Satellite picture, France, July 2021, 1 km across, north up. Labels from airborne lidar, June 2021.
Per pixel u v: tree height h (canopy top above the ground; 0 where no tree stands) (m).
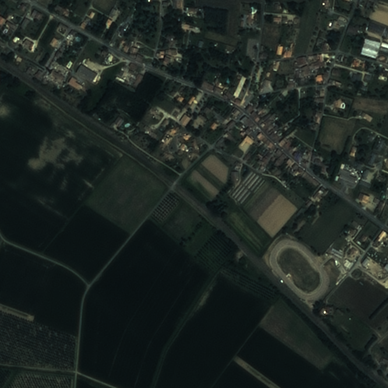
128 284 0
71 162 0
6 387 0
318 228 0
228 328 0
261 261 0
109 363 0
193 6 6
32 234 0
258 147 5
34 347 11
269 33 0
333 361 0
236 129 0
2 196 0
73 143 0
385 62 0
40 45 0
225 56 10
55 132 0
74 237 0
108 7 0
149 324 0
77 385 0
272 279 0
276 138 0
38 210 0
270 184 0
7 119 0
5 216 0
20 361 8
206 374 0
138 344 0
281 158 0
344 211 0
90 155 0
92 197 0
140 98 7
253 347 0
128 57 0
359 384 0
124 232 0
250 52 0
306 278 0
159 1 6
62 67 0
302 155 0
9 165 0
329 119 0
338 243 0
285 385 0
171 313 0
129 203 0
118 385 0
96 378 0
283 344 0
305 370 0
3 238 0
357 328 0
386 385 0
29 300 0
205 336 0
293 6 17
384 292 0
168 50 0
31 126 0
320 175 9
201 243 0
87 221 0
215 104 8
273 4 10
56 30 0
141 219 0
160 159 0
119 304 0
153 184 0
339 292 0
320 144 8
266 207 0
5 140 0
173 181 0
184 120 0
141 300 0
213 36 0
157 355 0
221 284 0
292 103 8
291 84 0
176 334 0
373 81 0
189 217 0
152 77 11
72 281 0
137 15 9
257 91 5
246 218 0
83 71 0
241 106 0
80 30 0
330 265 0
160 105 0
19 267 0
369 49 0
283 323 0
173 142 0
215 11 16
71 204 0
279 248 0
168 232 0
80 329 0
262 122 0
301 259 0
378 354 0
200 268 0
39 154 0
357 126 0
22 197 0
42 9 0
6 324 10
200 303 0
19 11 0
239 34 8
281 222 0
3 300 0
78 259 0
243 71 12
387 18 0
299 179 6
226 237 14
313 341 0
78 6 0
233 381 0
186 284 0
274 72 0
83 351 0
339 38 13
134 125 7
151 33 14
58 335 10
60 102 0
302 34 0
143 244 0
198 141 0
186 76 13
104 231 0
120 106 7
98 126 0
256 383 0
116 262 0
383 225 0
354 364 9
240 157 0
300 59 0
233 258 6
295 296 0
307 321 10
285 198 0
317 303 11
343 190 0
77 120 0
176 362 0
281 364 0
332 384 0
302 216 6
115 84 8
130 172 0
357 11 11
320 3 0
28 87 0
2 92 0
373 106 0
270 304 0
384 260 0
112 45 0
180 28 9
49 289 0
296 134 0
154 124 0
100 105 10
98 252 0
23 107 0
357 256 0
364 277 0
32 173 0
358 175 0
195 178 0
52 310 0
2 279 0
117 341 0
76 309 0
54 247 0
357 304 0
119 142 0
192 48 13
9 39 8
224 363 0
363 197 0
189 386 0
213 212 16
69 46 6
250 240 0
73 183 0
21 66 0
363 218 7
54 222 0
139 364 0
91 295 0
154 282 0
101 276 0
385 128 0
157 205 0
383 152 0
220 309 0
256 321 0
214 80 0
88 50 0
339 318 0
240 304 0
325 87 0
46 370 0
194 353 0
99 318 0
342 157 7
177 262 0
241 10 0
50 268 0
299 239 8
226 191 11
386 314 0
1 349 10
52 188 0
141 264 0
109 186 0
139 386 0
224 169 0
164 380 0
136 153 0
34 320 0
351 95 6
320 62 0
